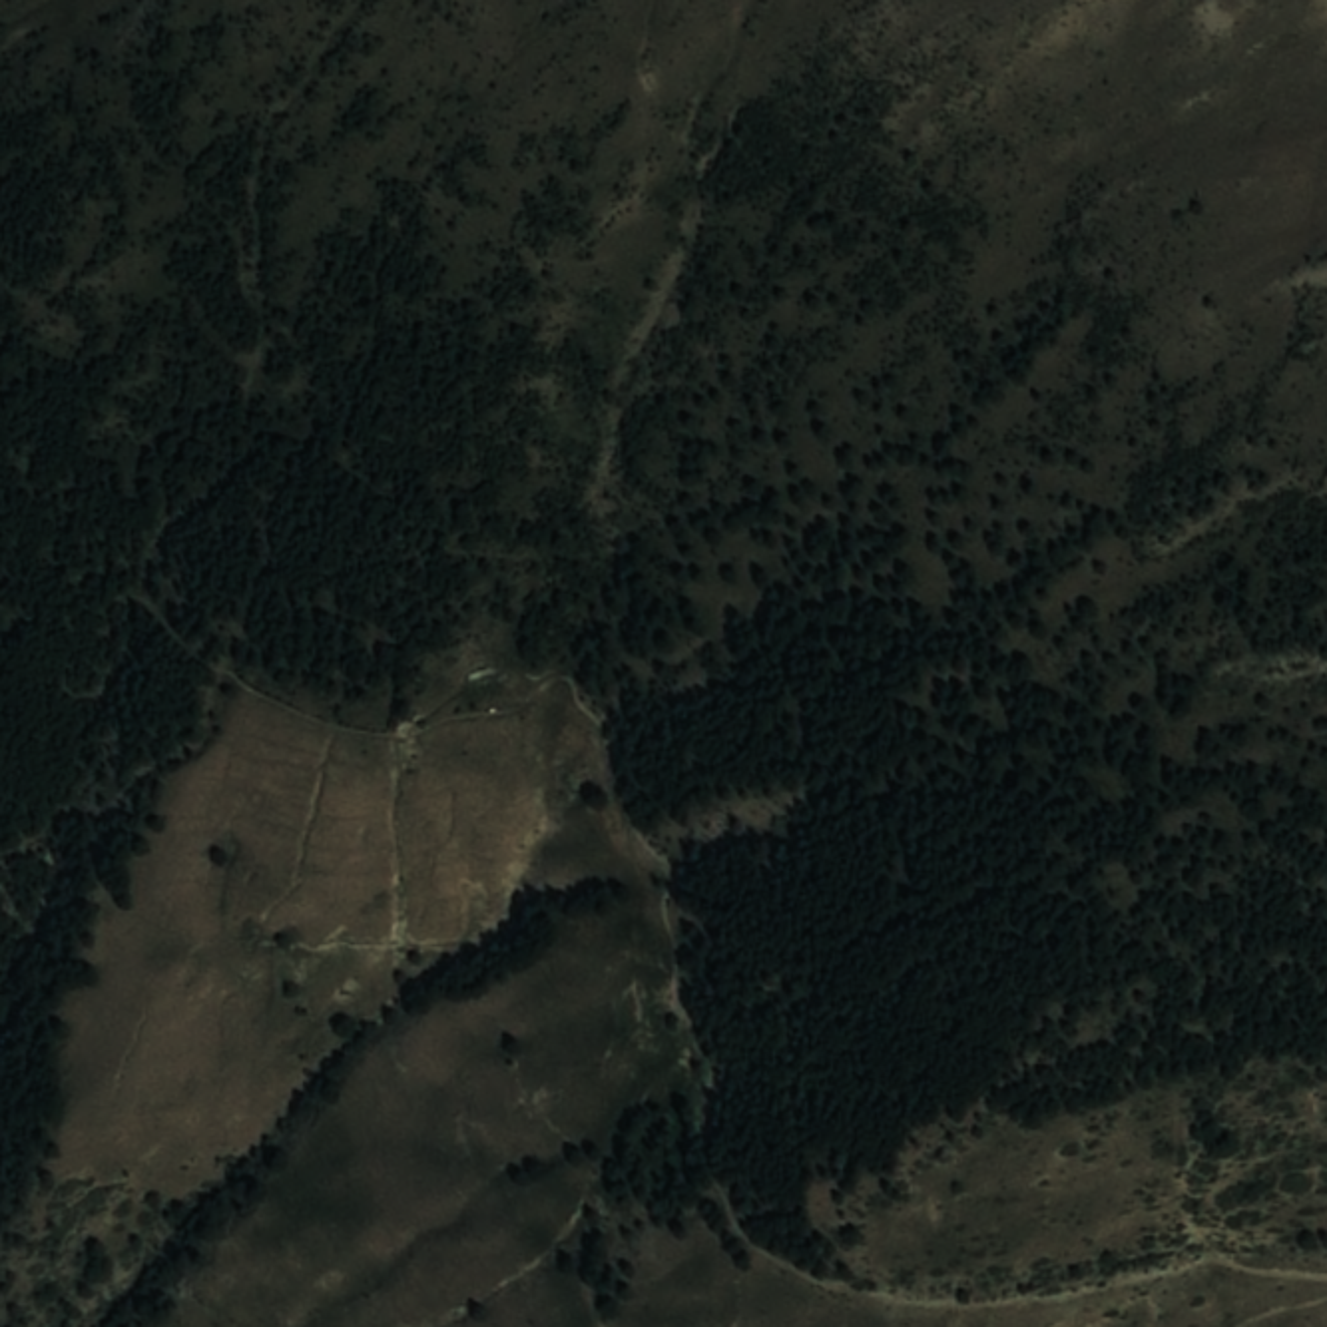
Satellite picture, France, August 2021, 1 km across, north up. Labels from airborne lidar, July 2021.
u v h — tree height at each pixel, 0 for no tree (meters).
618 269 0
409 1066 0
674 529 16
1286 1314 0
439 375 11
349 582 19
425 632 15
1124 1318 0
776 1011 17
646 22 0
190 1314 0
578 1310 0
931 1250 0
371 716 0
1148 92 0
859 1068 24
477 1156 0
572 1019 0
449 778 0
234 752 0
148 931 0
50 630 15
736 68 0
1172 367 0
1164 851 16
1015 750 20
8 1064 26
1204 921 9
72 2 0
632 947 0
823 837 19
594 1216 16
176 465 14
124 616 11
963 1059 19
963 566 8
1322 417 0
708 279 7
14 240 6
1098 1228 0
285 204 6
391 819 0
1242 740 15
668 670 17
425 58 0
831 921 19
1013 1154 0
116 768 11
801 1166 17
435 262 10
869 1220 0
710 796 19
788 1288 0
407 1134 0
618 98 0
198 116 0
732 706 19
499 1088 0
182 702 16
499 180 0
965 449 0
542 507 9
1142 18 0
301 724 0
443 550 14
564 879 0
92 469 17
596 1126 0
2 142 7
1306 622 11
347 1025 20
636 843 0
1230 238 0
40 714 25
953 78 0
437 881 0
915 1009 19
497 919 0
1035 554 10
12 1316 16
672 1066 0
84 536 14
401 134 0
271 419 11
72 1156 0
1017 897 14
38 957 29
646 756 19
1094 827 12
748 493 8
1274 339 0
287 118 6
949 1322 0
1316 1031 20
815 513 0
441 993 19
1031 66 0
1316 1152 0
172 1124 0
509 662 0
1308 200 0
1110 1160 0
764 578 20
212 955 0
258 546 19
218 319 7
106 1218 0
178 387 6
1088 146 0
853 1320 0
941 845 19
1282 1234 0
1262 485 9
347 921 0
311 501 15
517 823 0
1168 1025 20
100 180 10
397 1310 0
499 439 6
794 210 7
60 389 12
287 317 15
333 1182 0
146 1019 0
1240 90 0
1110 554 0
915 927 18
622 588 17
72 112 7
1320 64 0
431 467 8
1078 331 0
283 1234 0
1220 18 0
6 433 13
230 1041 0
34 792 24
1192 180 0
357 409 10
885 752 18
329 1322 0
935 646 14
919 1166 0
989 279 0
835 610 20
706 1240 0
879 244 12
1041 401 14
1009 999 21
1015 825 19
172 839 0
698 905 19
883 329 0
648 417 5
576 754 0
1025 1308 0
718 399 15
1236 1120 0
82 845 26
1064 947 22
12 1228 9
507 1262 0
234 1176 13
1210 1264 0
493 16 0
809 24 0
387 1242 0
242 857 0
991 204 0
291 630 18
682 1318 0
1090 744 14
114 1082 0
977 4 0
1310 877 13
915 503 0
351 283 6
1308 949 18
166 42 6
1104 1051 19
